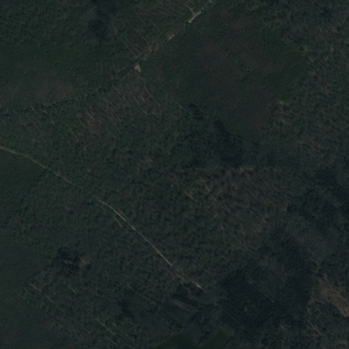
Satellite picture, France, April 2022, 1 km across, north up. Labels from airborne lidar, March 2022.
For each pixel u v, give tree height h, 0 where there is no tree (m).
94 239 25
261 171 27
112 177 20
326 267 25
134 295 16
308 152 22
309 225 25
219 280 25
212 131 25
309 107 25
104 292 25
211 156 17
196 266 30
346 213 25
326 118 28
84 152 28
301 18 28
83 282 27
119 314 29
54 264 23
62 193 22
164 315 14
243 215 32
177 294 9
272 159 21
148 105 26
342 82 22
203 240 25
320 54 24
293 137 21
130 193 23
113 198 23
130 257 28
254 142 18
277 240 26
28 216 23
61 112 24
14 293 10
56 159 23
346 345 0
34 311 15
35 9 16
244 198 33
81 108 21
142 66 11
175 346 0
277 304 21
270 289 19
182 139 19
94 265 27
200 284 20
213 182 29
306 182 18
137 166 25
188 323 8
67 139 26
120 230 22
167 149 22
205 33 10
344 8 26
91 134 24
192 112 24
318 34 28
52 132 23
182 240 29
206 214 26
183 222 29
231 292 22
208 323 23
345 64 26
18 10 23
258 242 28
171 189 26
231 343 8
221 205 31
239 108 14
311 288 21
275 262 19
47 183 22
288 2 27
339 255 27
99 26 19
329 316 26
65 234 25
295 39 26
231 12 14
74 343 16
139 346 26
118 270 25
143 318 11
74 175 22
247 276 16
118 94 25
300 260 23
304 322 20
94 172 26
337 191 20
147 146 26
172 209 26
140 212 25
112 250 24
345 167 26
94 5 20
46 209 26
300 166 17
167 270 27
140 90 29
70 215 26
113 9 12
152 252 25
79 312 28
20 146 21
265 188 32
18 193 15
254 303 16
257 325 16
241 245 31
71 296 26
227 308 26
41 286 27
